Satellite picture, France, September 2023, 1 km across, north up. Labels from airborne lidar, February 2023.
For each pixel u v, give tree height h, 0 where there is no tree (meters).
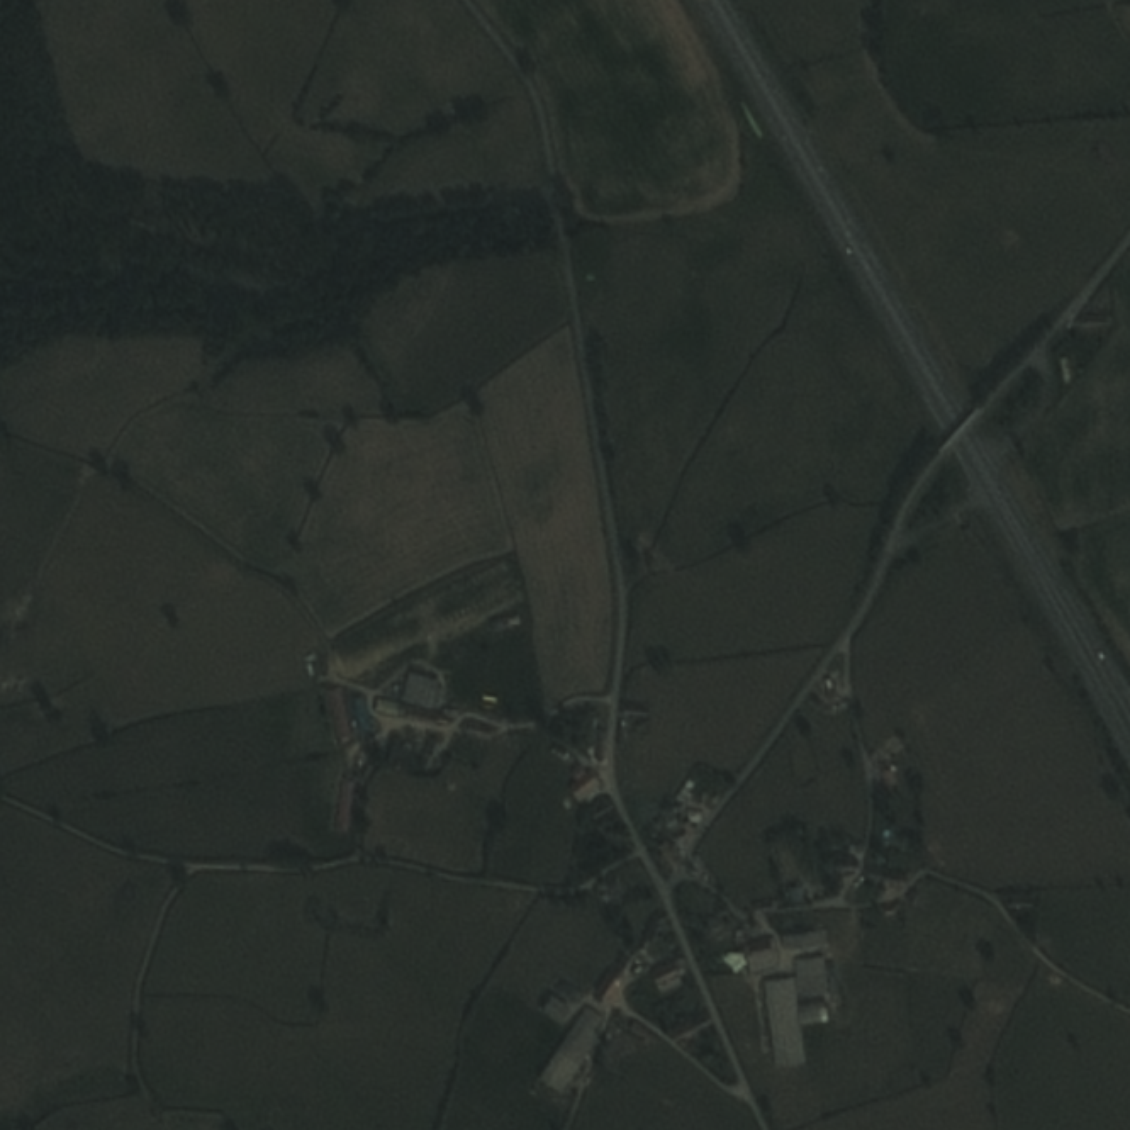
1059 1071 0
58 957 0
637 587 0
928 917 0
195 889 0
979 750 0
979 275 0
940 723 0
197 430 0
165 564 0
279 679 0
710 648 0
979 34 0
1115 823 0
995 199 0
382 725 0
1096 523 0
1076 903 0
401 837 0
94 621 0
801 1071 0
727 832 0
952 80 0
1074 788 0
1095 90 0
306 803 0
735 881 0
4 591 0
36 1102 0
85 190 17
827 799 0
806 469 0
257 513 0
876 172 0
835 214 0
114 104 0
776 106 0
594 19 0
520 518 0
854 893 0
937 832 0
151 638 0
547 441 0
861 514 0
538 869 0
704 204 0
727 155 0
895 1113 0
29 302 33
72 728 0
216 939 0
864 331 0
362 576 0
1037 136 0
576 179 0
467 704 0
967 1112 0
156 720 0
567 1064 0
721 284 0
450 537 0
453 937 0
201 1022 0
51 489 0
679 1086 0
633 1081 0
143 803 0
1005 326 0
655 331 0
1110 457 0
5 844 0
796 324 0
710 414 0
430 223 12
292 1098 0
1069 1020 0
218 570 0
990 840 0
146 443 0
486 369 0
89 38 0
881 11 7
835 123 0
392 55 0
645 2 0
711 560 0
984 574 0
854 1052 0
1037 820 0
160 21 0
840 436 0
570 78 0
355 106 0
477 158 0
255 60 0
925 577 0
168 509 0
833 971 0
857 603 0
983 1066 0
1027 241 0
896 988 0
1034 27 0
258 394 0
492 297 0
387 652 0
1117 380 0
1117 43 0
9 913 0
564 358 0
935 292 0
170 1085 0
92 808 0
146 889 0
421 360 0
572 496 0
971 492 0
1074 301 0
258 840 0
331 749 0
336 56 0
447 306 0
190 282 30
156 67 0
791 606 0
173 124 0
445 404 0
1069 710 0
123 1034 0
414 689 0
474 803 0
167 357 0
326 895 0
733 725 0
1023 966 0
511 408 0
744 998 0
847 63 0
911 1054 0
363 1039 0
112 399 0
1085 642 0
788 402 0
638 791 0
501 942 0
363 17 0
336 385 0
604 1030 0
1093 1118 0
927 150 0
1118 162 0
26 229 18
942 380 0
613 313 0
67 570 0
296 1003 0
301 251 18
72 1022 0
